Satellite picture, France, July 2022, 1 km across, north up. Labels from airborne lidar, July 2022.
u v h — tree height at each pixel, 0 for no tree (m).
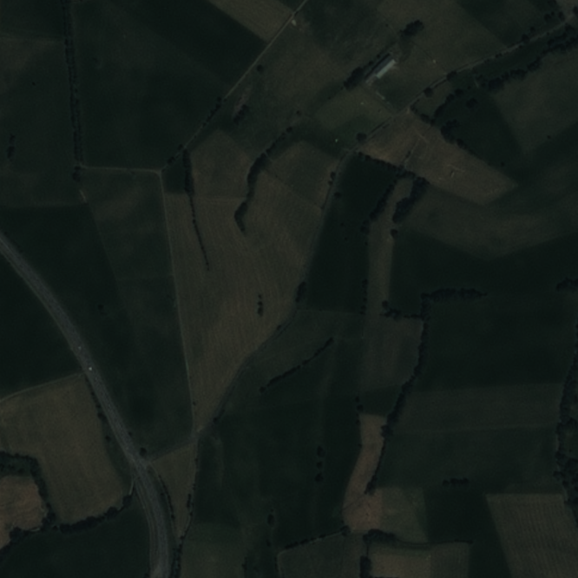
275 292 0
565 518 0
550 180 0
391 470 0
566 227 0
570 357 0
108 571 0
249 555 0
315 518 0
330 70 0
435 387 0
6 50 0
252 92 0
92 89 0
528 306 0
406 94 0
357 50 0
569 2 0
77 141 11
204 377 0
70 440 0
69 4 13
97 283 0
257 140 0
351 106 0
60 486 0
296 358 0
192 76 0
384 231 0
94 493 0
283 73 0
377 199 0
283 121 0
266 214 0
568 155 0
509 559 0
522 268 0
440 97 0
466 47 0
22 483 0
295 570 0
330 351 0
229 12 0
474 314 0
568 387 16
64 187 0
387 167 12
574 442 0
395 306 0
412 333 0
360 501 0
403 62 0
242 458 0
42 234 0
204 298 0
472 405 0
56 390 0
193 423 0
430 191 0
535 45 0
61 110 0
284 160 0
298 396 0
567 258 0
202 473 0
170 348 0
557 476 10
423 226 0
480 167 0
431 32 0
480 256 0
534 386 0
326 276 0
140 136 0
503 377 0
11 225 0
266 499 0
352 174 0
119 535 0
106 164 0
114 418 0
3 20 0
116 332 0
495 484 0
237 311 0
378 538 17
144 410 0
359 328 0
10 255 0
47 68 0
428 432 0
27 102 0
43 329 0
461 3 0
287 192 0
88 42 0
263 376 0
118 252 0
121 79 0
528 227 0
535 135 0
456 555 0
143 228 0
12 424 0
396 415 14
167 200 0
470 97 0
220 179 0
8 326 0
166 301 0
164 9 0
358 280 0
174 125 0
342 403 0
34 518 0
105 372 0
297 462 0
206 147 0
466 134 0
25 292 0
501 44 0
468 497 0
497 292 0
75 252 0
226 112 0
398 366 0
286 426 0
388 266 0
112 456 0
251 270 0
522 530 0
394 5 0
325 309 0
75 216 0
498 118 0
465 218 0
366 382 0
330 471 0
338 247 0
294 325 0
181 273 0
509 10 0
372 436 0
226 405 0
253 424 0
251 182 15
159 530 0
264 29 0
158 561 0
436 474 0
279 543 0
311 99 0
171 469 0
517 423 0
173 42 0
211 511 0
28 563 0
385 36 0
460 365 0
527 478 0
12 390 0
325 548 0
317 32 0
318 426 0
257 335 0
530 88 0
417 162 0
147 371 0
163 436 0
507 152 0
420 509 0
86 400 0
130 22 0
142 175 0
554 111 0
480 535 0
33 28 0
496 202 0
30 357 0
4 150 0
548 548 0
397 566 0
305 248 0
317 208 0
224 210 0
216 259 0
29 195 0
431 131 0
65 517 0
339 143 0
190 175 13
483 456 0
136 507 0
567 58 0
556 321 0
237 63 0
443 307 0
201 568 0
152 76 0
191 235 0
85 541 0
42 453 0
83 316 0
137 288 0
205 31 0
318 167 0
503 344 0
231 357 0
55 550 0
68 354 0
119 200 0
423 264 0
